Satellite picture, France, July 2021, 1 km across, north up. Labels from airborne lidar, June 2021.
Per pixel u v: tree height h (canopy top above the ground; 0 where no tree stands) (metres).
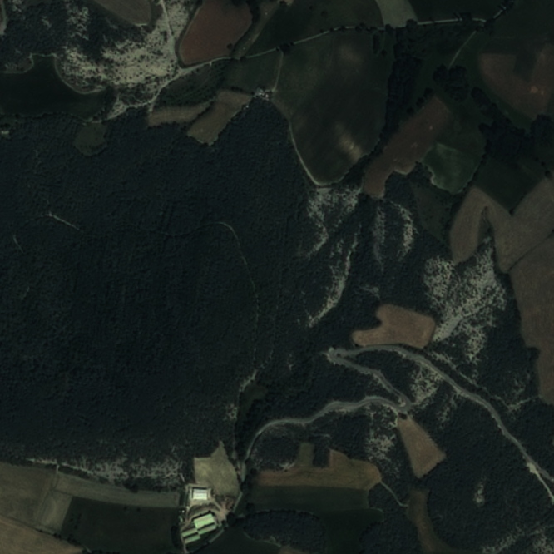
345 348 8
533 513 7
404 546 11
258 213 8
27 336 8
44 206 8
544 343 0
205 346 8
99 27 7
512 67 0
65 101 0
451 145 0
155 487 7
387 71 0
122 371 14
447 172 0
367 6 0
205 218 8
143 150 12
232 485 0
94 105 0
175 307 14
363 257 6
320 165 0
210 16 0
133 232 9
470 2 0
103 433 7
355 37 0
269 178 8
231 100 0
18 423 10
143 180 14
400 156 0
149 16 0
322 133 0
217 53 0
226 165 9
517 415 10
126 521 0
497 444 7
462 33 7
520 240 0
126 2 0
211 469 0
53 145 9
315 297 5
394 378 7
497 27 0
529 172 0
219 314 7
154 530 0
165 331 10
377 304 10
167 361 9
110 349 7
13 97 0
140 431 8
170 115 0
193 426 9
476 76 0
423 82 0
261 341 12
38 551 0
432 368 0
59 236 9
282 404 10
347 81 0
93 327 13
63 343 13
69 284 10
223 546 0
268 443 7
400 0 0
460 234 0
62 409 12
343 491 0
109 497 0
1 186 10
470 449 11
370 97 0
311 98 0
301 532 8
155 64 0
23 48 6
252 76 0
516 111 0
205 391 8
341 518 0
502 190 0
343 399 9
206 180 9
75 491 0
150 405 14
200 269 11
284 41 0
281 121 8
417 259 6
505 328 6
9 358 12
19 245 7
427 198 0
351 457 10
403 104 23
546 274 0
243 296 7
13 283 10
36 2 0
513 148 29
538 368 0
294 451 6
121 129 13
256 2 14
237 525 12
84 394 15
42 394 11
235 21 0
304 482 0
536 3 0
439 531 10
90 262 8
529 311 0
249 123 6
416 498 0
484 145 0
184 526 0
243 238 9
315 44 0
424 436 0
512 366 6
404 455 7
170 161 12
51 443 7
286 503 0
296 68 0
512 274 0
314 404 8
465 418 7
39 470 0
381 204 9
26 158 9
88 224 11
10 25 9
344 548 0
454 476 6
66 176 9
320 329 10
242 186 7
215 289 10
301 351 10
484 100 23
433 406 7
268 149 6
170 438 8
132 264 6
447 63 0
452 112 0
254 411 20
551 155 0
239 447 15
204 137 0
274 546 0
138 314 9
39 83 0
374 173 0
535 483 7
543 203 0
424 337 0
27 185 8
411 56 25
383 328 0
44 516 0
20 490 0
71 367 9
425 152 0
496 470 10
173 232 12
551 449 6
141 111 6
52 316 11
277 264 9
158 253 8
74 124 8
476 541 7
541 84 0
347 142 0
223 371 11
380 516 0
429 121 0
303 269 10
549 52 0
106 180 10
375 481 0
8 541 0
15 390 12
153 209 11
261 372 7
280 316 8
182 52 0
